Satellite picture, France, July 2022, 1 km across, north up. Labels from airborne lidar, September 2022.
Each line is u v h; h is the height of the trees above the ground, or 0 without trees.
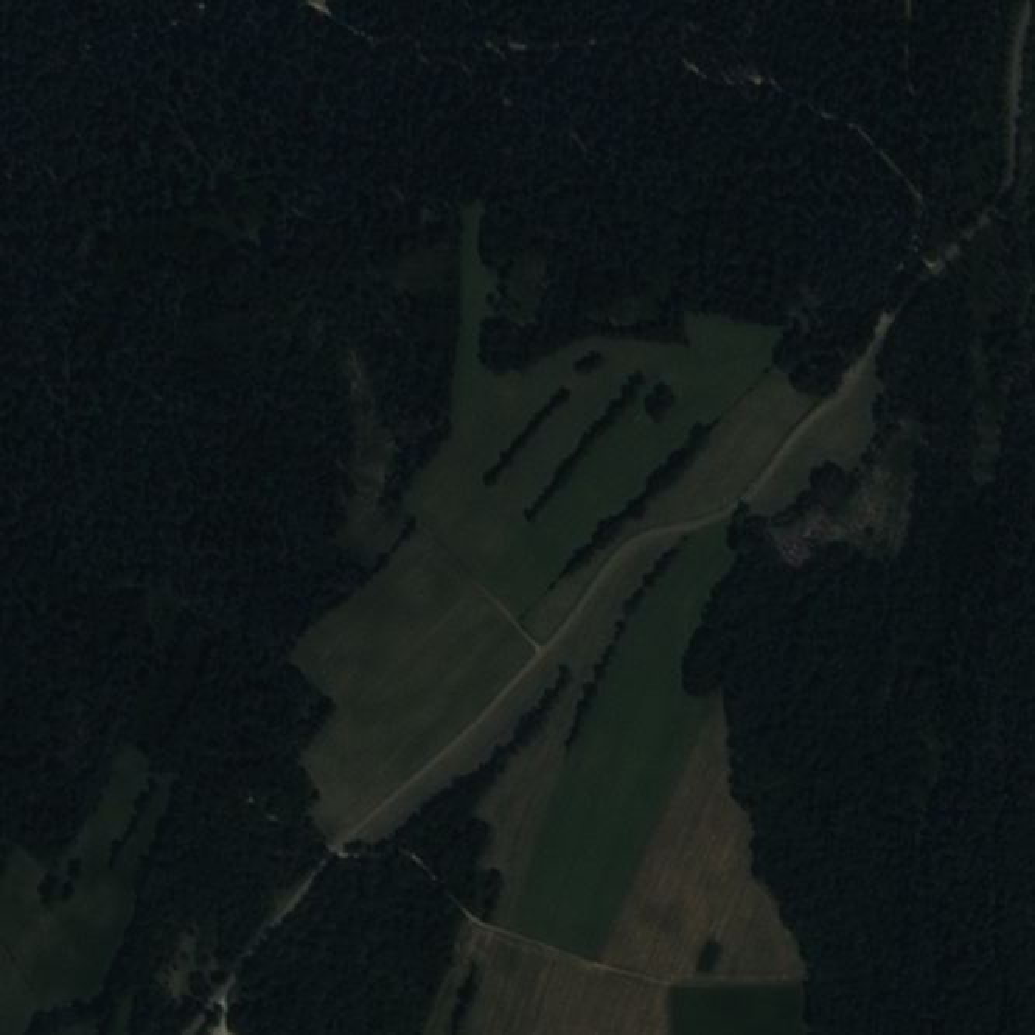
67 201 32
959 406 18
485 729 0
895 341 18
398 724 0
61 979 0
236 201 32
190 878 16
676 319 15
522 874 0
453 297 6
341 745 0
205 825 15
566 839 0
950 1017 22
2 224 18
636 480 0
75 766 18
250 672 9
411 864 19
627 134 27
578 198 18
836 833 17
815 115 24
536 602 0
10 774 25
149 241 10
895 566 21
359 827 0
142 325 22
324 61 28
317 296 10
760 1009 0
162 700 9
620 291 28
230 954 17
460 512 0
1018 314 10
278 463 19
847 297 29
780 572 16
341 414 15
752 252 19
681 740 0
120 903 0
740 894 0
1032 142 29
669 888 0
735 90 16
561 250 18
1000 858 18
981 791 17
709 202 22
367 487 0
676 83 23
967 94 19
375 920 16
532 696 0
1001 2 13
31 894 0
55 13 32
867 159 29
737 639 21
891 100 29
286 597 24
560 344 14
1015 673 24
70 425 19
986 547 8
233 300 13
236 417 25
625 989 0
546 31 22
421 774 0
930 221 23
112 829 0
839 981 20
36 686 26
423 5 18
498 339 19
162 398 26
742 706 22
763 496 0
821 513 0
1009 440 15
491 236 21
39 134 31
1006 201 16
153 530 11
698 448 17
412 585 0
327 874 13
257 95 32
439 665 0
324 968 19
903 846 19
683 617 0
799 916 18
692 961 0
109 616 14
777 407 0
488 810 0
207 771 19
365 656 0
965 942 21
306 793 9
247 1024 16
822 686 20
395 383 14
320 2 0
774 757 22
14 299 35
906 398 16
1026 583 21
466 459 0
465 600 0
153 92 32
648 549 0
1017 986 19
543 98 28
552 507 0
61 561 8
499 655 0
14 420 33
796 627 17
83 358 17
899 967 18
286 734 19
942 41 17
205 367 12
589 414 0
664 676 0
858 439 0
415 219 27
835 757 19
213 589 27
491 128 31
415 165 21
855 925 18
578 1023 0
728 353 0
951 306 20
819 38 19
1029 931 15
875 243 24
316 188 31
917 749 19
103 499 26
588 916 0
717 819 0
